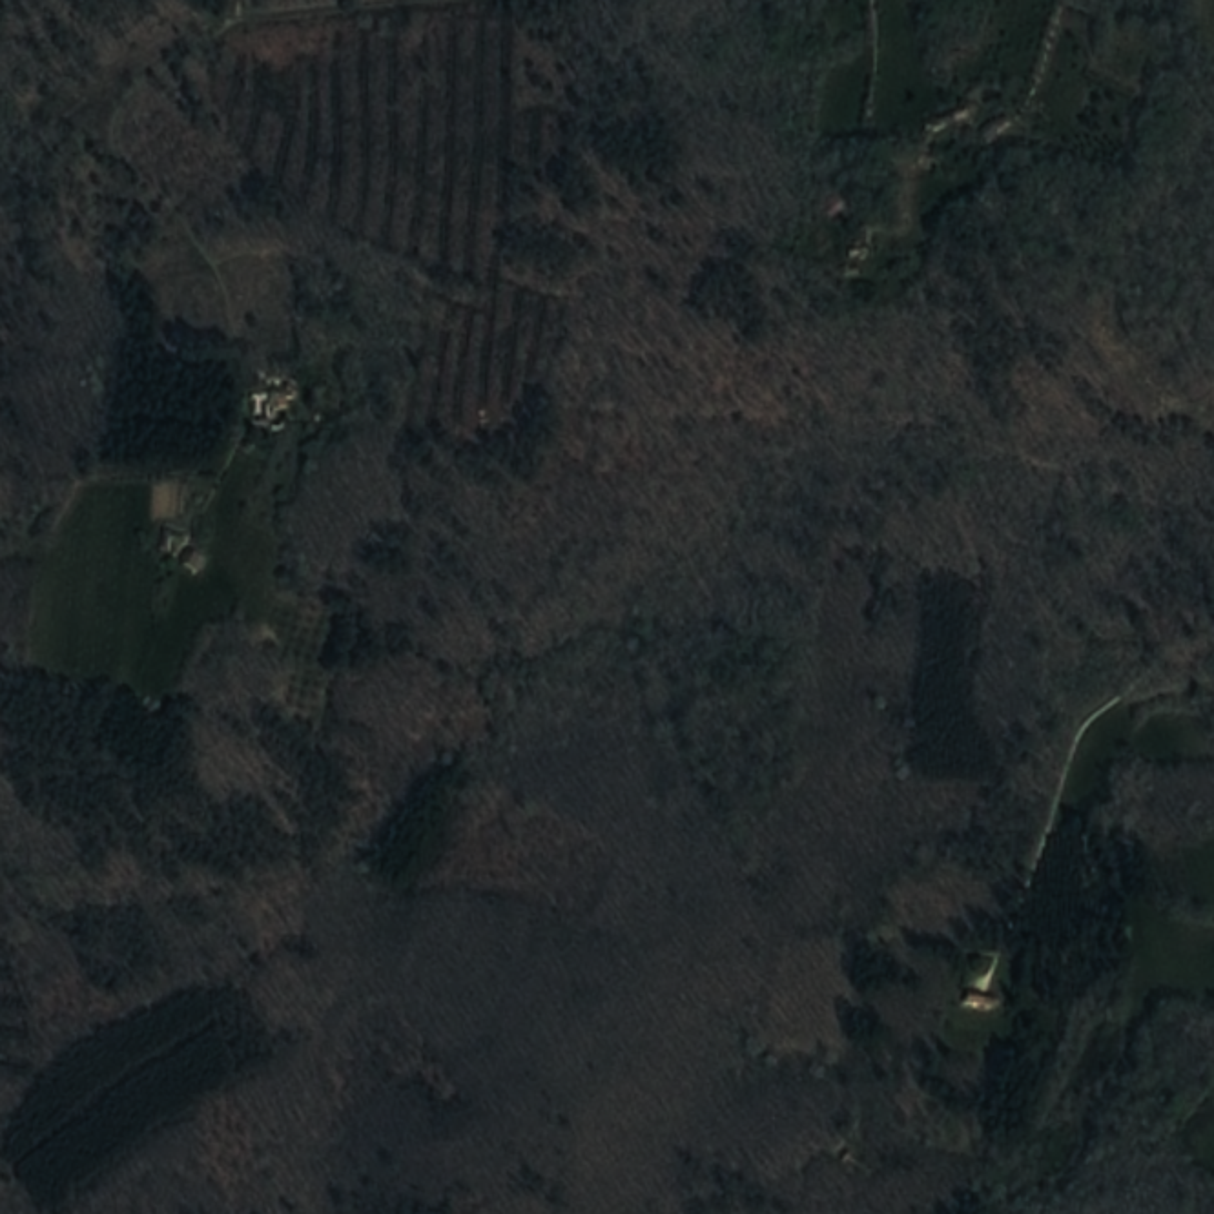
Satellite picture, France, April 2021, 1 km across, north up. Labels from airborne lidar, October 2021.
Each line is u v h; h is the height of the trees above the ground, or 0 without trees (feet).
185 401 99
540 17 93
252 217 71
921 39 62
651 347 55
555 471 23
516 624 58
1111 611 70
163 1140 68
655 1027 60
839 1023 89
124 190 79
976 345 92
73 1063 48
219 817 81
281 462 35
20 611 33
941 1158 33
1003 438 80
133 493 0
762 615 52
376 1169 34
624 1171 55
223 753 78
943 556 65
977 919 58
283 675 45
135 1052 54
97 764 71
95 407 69
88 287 59
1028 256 63
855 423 59
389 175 19
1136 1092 55
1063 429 59
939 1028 52
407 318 65
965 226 73
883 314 81
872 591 23
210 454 81
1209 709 50
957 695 55
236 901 49
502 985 52
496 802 87
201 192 26
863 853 38
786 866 55
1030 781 74
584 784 57
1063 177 83
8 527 40
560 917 44
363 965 57
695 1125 53
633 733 70
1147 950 0
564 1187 46
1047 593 73
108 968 51
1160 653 53
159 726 58
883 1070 51
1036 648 66
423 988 54
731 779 84
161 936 60
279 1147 55
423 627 34
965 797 29
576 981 50
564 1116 44
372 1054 31
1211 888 0
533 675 39
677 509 62
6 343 39
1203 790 49
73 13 50
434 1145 42
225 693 66
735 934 60
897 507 73
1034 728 59
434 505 62
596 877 25
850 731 39
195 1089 52
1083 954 25
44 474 44
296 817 92
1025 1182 61
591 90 61
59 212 94
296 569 55
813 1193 39
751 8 70
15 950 27
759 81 92
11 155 54
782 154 62
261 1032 34
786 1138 54
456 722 36
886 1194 39
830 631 43
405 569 98
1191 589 62
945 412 72
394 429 41
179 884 93
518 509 30
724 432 56
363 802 45
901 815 32
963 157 26
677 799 81
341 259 62
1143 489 71
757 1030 49
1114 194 74
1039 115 21
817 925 56
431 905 46
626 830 56
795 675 79
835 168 75
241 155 24
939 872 46
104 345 68
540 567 54
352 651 68
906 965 58
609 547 41
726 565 56
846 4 43
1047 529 51
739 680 81
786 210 71
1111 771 41
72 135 70
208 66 72
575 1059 46
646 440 57
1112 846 34
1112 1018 76
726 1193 82
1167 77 55
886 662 48
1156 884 89
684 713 54
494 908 52
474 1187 35
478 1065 58
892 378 63
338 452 55
